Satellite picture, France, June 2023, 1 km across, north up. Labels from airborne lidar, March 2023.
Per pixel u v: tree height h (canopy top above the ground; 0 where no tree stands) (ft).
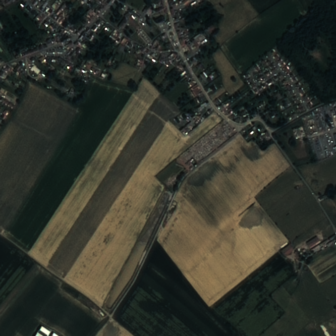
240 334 0
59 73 0
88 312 0
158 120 0
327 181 0
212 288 0
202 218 0
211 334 0
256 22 0
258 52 0
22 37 48
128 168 0
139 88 0
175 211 0
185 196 0
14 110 0
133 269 0
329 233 0
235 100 0
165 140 0
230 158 0
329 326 0
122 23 0
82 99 62
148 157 0
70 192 0
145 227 0
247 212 0
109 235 0
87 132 0
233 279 0
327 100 49
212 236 0
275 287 0
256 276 0
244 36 0
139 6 0
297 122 0
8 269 0
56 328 0
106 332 0
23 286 0
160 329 0
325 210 0
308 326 0
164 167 0
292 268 0
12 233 0
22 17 0
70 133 0
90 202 0
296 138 0
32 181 0
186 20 21
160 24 0
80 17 21
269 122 54
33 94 0
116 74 0
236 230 0
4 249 0
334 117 0
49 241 0
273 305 0
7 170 0
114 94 0
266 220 0
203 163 0
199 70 0
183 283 0
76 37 0
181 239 0
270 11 0
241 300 0
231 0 0
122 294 0
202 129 0
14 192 0
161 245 0
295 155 0
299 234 0
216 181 0
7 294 0
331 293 0
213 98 0
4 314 0
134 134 0
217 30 30
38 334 0
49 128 0
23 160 0
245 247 0
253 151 0
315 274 0
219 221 0
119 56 0
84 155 0
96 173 0
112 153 0
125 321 0
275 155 0
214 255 0
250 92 28
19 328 0
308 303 0
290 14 0
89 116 0
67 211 0
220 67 0
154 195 0
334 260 0
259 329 0
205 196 0
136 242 0
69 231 0
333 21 35
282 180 0
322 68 0
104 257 0
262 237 0
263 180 0
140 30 0
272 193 0
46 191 0
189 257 0
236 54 0
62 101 0
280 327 0
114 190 0
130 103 0
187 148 0
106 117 0
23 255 0
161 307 0
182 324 0
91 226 0
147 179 0
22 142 0
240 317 0
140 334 0
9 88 0
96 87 0
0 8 0
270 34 0
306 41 28
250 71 0
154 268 0
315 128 0
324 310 0
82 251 0
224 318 0
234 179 0
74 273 0
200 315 0
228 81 0
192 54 0
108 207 0
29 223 0
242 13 0
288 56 25
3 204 0
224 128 0
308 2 0
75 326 0
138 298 0
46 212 0
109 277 0
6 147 0
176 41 0
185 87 0
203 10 31
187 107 0
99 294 0
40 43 0
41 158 0
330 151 0
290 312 0
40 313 0
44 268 0
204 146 0
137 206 0
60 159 0
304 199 0
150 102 0
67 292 0
